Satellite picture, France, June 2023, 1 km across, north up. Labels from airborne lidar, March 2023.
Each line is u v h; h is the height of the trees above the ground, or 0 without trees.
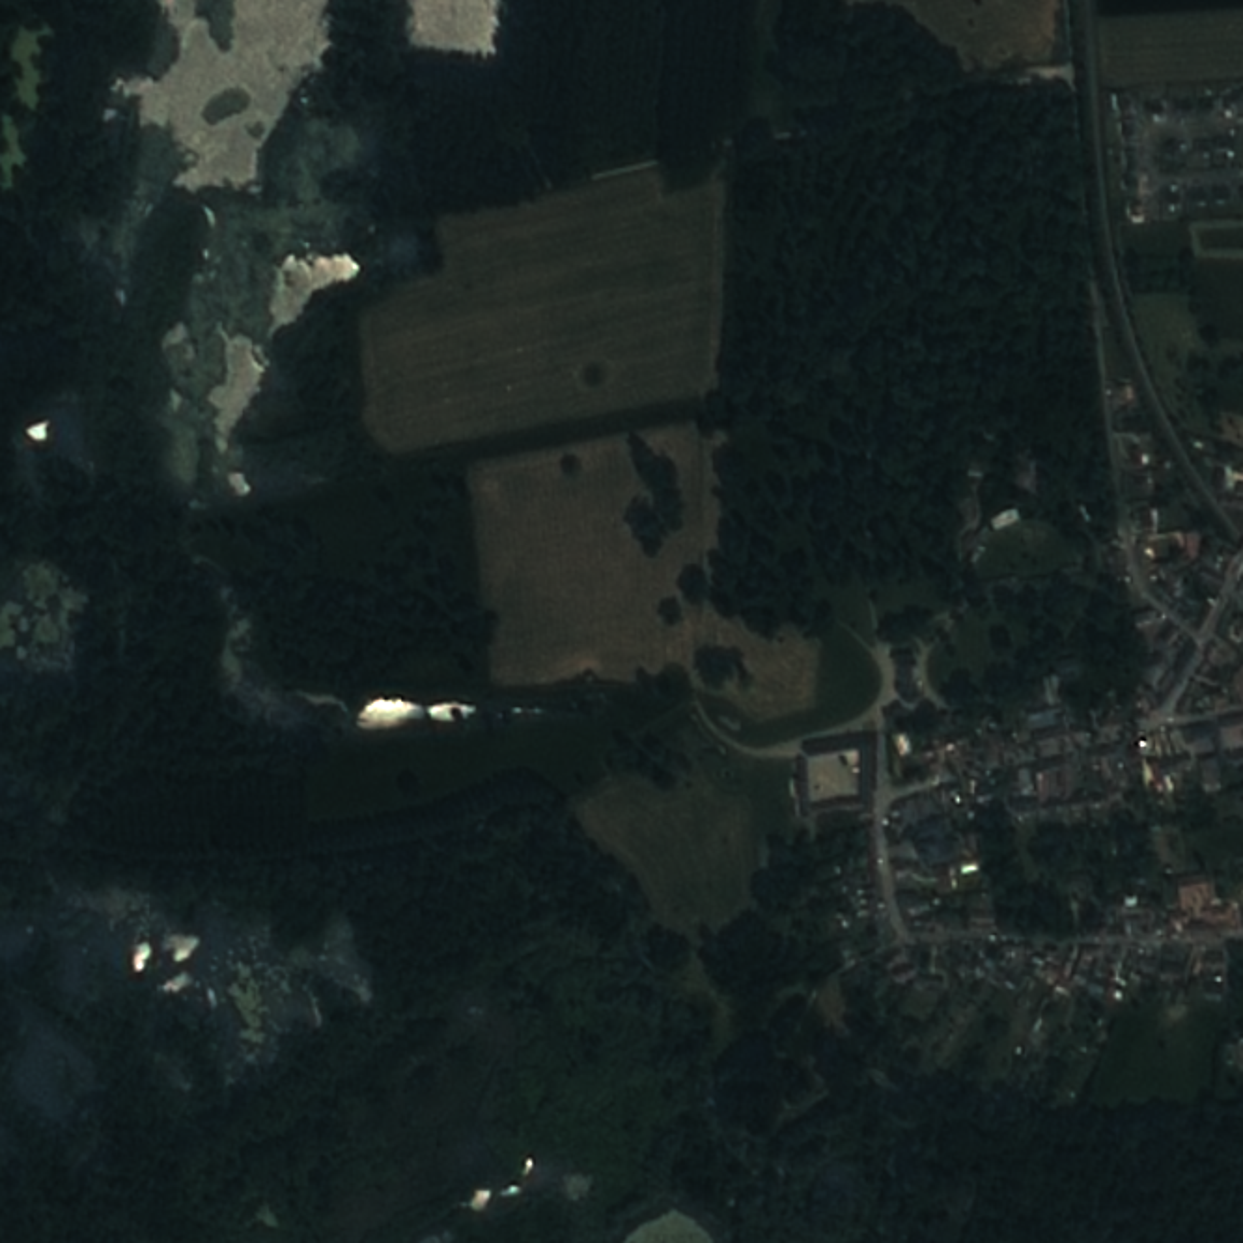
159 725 9
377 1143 6
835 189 17
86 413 8
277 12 0
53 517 7
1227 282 0
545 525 0
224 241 0
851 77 35
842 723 0
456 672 0
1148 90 0
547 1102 6
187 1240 8
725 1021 0
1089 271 10
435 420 0
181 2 0
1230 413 0
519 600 0
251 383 0
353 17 14
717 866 0
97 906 0
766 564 14
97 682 33
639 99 28
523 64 37
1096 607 19
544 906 18
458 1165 0
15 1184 22
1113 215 0
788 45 33
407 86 8
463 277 0
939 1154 16
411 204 33
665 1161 21
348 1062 6
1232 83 0
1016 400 9
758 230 0
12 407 33
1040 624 14
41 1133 16
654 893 0
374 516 0
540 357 0
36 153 37
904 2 0
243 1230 6
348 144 0
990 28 0
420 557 7
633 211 0
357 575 0
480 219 0
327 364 6
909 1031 6
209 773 20
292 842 21
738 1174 17
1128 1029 0
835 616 15
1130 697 9
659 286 0
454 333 0
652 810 0
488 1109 0
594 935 19
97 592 27
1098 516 11
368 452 8
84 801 14
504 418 0
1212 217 0
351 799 0
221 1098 13
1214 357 0
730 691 0
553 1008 10
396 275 6
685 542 0
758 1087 37
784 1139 10
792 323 19
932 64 28
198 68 0
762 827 0
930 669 0
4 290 26
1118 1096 0
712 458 0
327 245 0
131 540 18
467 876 10
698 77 38
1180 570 0
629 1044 6
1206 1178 19
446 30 0
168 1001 8
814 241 22
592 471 0
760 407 24
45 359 40
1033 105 7
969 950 6
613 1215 11
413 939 28
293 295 0
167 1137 14
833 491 26
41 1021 0
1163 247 0
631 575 0
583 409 0
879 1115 19
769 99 0
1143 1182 24
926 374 30
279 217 0
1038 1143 27
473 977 6
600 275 0
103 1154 12
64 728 11
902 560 21
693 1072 19
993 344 16
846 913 6
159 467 11
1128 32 0
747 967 16
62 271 37
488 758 0
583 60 25
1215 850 0
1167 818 7
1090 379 11
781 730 0
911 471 26
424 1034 12
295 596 13
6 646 0
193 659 28
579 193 0
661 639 0
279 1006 0
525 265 0
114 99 0
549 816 15
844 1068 35
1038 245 23
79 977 0
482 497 0
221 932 0
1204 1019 0
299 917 16
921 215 26
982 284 30
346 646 12
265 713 0
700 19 36
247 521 0
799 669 0
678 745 0
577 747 0
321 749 29
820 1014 0
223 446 0
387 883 33
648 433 0
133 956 0
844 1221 20
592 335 0
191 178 0
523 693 0
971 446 24
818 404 16
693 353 0
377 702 0
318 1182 15
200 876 17
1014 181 23
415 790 16
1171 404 0
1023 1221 21
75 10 18
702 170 0
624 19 27
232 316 0
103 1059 11
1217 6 0
